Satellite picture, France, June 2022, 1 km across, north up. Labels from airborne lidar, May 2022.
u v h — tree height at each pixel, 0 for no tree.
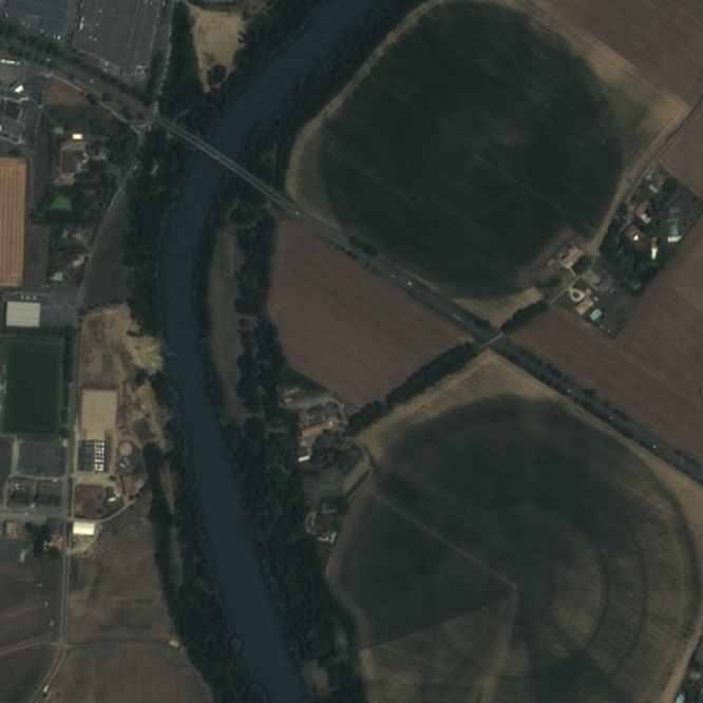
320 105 8
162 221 16
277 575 20
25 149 0
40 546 9
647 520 0
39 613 0
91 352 0
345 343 0
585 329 0
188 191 0
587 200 0
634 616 0
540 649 0
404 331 0
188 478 17
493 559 0
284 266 0
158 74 8
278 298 0
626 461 0
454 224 0
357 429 20
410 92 0
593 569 0
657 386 0
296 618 20
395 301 0
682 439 0
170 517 17
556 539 0
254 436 24
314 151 0
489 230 0
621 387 0
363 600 0
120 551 0
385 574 0
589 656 0
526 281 0
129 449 0
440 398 0
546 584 0
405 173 0
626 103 0
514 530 0
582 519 0
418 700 0
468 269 0
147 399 0
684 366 0
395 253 0
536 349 0
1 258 0
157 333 15
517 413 0
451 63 0
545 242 0
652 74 0
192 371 0
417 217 0
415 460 0
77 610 0
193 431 0
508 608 0
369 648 0
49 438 0
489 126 0
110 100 6
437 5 0
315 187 0
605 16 0
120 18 0
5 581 0
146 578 0
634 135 0
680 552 0
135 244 25
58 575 0
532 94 0
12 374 0
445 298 0
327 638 30
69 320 0
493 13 0
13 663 0
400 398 22
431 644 0
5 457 0
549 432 0
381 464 0
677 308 0
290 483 12
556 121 0
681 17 0
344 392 0
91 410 0
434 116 0
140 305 12
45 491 0
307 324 0
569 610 0
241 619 0
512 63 0
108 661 0
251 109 0
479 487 0
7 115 0
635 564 0
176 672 0
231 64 0
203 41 0
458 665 0
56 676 0
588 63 0
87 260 6
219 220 14
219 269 0
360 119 0
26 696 0
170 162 16
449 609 0
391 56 0
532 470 0
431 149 0
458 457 0
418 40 0
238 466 25
